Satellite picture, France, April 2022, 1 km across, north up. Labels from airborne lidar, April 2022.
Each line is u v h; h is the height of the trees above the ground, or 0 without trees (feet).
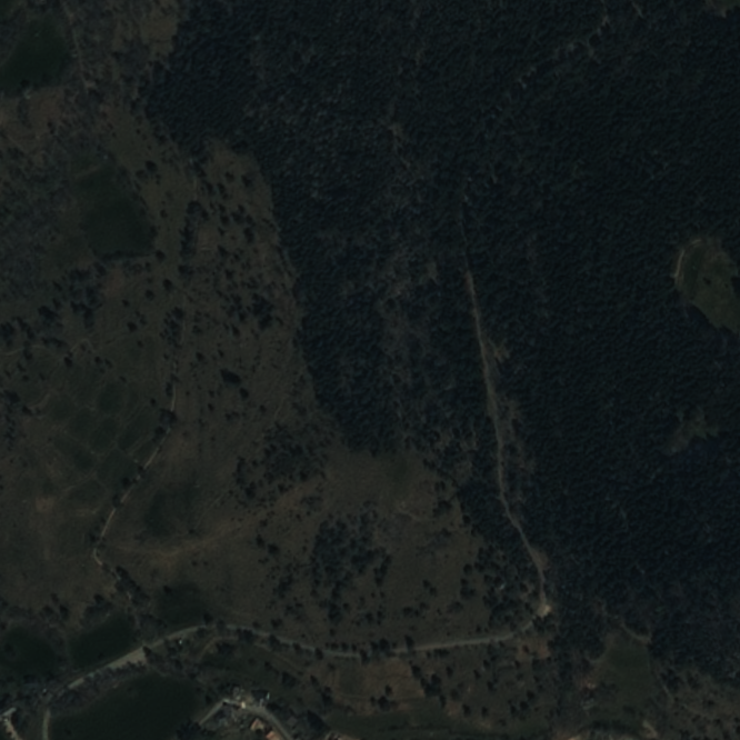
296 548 0
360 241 50
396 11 74
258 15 64
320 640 0
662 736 56
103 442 0
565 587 81
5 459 0
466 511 55
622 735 68
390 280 27
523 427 95
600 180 103
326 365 43
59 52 0
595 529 93
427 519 0
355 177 81
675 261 28
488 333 91
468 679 0
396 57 67
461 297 108
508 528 66
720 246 61
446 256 87
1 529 0
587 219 113
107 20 48
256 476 0
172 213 0
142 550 0
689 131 104
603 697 67
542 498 99
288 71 59
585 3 90
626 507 76
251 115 52
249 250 0
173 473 0
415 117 94
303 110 78
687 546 104
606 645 42
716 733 0
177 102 64
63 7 42
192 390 0
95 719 0
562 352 100
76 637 0
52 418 0
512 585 40
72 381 0
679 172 105
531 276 116
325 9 68
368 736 0
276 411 0
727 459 94
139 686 0
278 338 0
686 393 93
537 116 105
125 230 0
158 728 0
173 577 0
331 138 73
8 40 62
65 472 0
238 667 0
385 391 34
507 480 62
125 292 0
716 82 92
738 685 51
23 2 0
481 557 30
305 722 46
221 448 0
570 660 50
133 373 0
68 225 0
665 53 93
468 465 84
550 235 110
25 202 39
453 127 101
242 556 0
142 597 43
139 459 0
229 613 0
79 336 0
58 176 45
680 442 49
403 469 0
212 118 78
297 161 66
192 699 0
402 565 0
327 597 0
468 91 117
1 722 46
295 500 0
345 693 0
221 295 25
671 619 75
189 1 58
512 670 37
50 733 0
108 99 21
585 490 106
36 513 0
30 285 52
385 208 61
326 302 63
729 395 96
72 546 0
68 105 36
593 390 101
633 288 102
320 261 67
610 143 104
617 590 106
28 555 0
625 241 116
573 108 113
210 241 0
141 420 0
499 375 88
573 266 117
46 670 0
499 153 111
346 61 65
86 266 0
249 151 48
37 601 0
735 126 102
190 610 0
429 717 0
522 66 104
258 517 0
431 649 0
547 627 29
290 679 36
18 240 49
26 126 47
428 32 85
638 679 0
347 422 51
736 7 0
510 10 91
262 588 22
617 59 62
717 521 103
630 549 93
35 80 0
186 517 0
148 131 0
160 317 0
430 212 106
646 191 112
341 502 0
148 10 41
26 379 30
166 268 0
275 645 54
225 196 35
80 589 0
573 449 109
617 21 77
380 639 0
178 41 27
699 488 120
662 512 119
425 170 87
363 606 20
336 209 93
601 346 107
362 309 42
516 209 99
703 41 114
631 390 113
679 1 116
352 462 0
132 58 36
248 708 0
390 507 0
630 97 95
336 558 49
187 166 41
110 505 0
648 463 114
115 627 0
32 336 48
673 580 115
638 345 110
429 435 64
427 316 93
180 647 28
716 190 110
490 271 148
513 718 24
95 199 0
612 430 128
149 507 0
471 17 78
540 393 102
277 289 28
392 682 0
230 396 0
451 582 0
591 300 107
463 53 108
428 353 86
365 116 74
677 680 30
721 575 120
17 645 0
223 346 0
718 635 82
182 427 0
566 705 60
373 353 47
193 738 87
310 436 44
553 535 122
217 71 69
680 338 108
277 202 41
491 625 26
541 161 113
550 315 99
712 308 0
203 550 0
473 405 80
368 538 20
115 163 49
